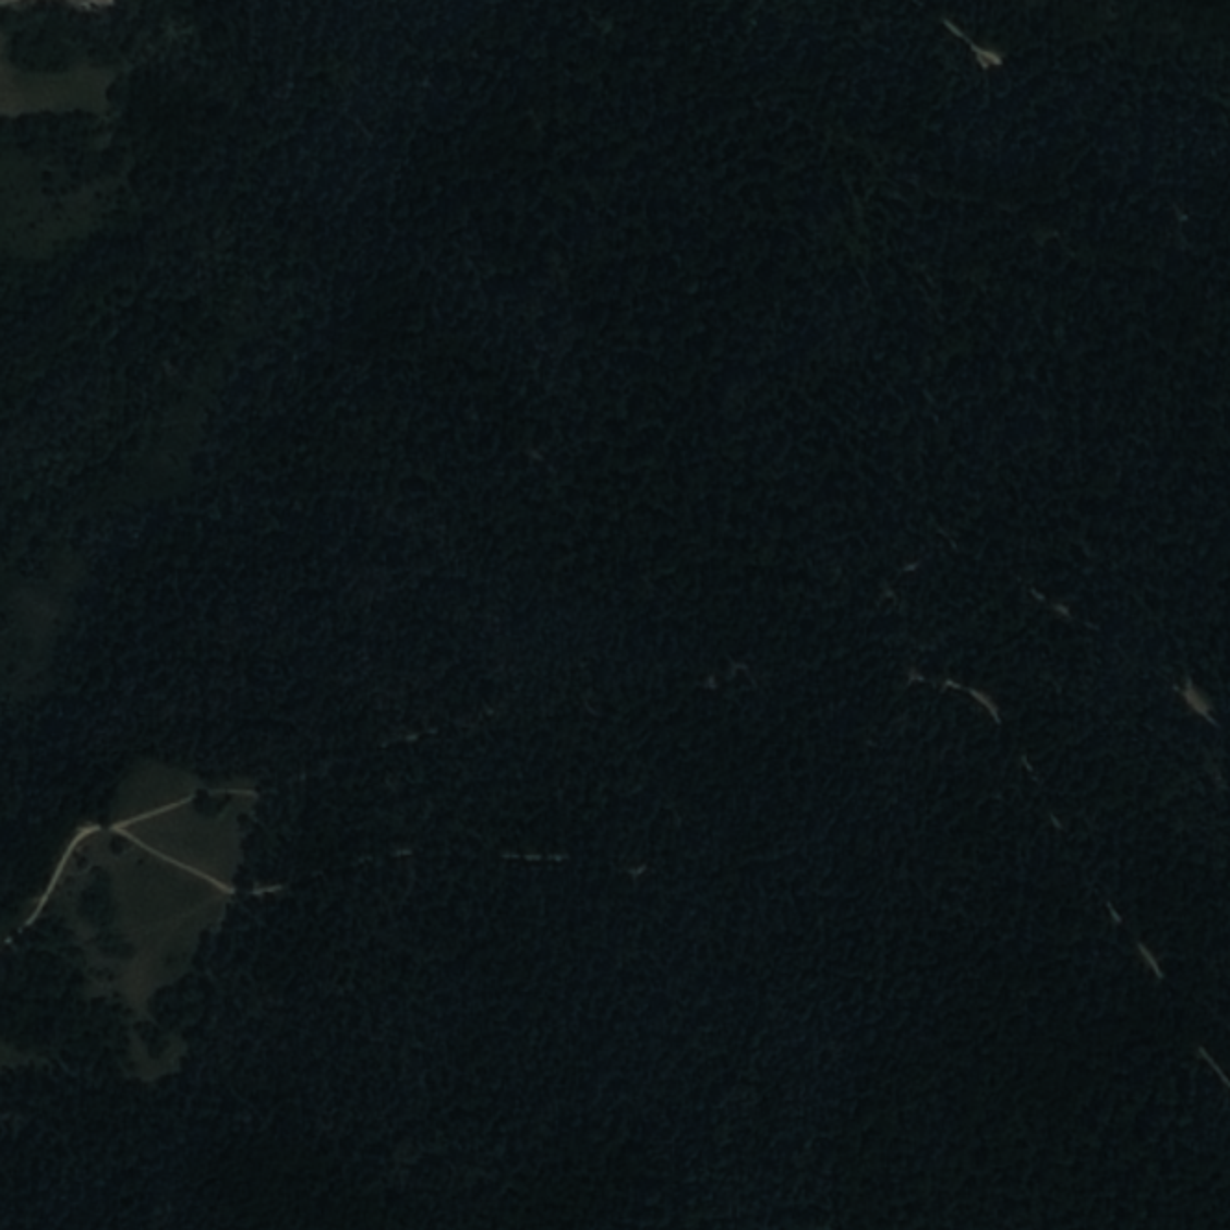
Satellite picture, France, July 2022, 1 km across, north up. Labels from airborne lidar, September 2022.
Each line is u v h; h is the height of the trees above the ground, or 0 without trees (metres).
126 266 22
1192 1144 24
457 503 19
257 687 22
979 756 19
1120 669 35
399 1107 27
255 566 19
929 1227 22
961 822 22
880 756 13
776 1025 11
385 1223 10
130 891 0
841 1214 20
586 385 27
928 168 26
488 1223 13
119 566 17
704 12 9
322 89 19
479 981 22
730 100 23
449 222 24
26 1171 14
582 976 20
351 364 22
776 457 31
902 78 32
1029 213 25
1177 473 16
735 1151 12
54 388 20
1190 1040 21
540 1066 22
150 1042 9
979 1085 27
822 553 25
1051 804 22
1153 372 24
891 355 27
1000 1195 22
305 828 16
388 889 20
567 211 18
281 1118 20
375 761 14
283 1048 14
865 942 23
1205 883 23
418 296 21
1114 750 16
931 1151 25
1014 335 27
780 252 32
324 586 10
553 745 19
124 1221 23
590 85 21
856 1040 23
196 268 24
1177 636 28
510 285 31
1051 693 7
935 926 16
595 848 18
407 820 17
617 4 24
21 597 0
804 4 23
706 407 13
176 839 0
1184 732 35
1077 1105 24
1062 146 30
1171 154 26
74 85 0
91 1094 23
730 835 22
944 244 29
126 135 10
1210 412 26
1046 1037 28
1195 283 21
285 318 11
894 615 8
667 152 22
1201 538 24
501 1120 20
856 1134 22
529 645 27
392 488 14
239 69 19
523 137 27
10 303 8
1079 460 28
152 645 27
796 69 23
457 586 26
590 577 11
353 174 33
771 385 11
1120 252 24
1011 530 26
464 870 11
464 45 25
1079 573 28
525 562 21
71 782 18
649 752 23
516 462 23
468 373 29
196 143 16
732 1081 19
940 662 22
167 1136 30
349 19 30
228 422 6
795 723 17
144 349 23
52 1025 20
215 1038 18
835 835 23
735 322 32
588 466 8
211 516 17
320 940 8
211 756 18
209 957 13
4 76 0
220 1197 21
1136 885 23
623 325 28
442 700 20
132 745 8
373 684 18
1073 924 28
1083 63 20
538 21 18
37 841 14
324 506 26
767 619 23
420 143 30
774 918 26
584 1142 18
